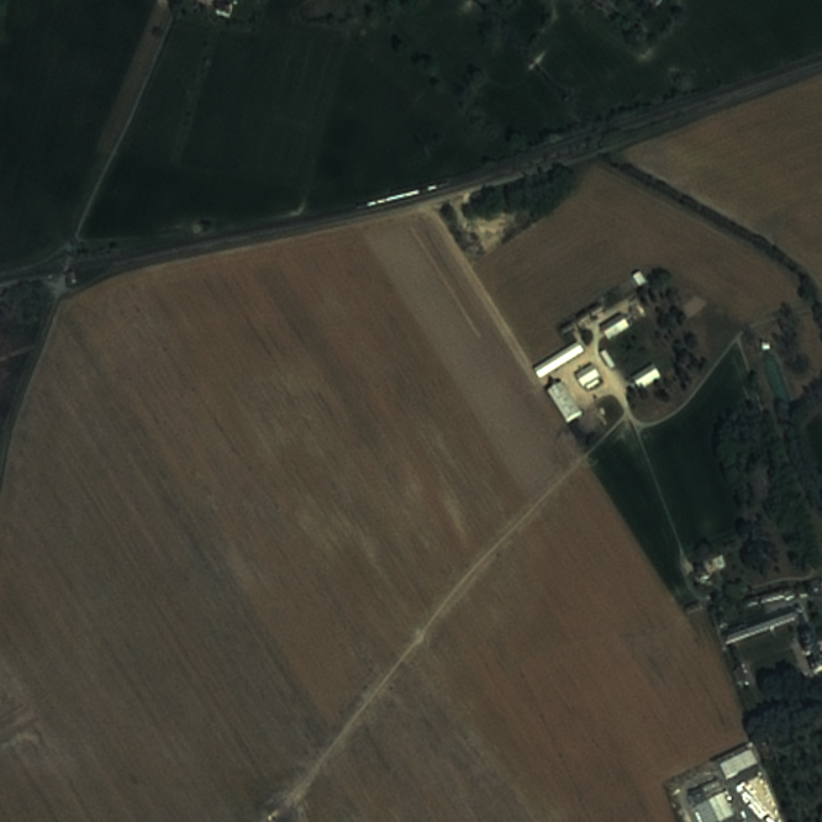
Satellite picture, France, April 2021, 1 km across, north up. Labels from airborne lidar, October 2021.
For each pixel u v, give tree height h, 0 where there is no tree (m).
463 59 0
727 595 17
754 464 14
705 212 14
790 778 18
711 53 0
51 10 0
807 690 20
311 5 0
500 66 0
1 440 15
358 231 0
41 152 0
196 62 0
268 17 0
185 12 8
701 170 0
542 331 0
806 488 20
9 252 0
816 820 8
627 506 0
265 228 0
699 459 0
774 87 0
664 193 14
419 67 17
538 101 0
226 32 0
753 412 21
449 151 0
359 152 0
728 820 0
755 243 14
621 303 0
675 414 0
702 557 16
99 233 0
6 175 0
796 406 10
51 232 0
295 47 0
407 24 0
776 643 0
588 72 0
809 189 0
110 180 0
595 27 0
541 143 8
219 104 0
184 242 0
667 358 0
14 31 0
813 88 0
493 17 16
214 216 0
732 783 0
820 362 0
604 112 0
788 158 0
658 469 0
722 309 0
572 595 0
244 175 0
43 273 0
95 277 0
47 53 0
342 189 0
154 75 0
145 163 0
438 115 0
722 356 0
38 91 0
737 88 0
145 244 0
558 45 0
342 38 0
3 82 0
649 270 0
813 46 0
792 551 21
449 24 0
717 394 0
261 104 0
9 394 6
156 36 9
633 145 0
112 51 0
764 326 0
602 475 0
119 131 0
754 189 0
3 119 0
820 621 16
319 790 0
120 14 0
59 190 0
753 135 0
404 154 0
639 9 11
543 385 0
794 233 0
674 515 0
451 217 16
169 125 0
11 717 0
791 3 0
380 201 0
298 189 0
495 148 0
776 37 0
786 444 10
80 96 0
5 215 0
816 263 0
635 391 12
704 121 0
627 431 0
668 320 8
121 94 0
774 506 18
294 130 0
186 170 0
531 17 0
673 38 0
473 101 17
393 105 0
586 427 0
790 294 0
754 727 20
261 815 0
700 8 0
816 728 17
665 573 0
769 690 24
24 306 14
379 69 0
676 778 0
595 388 0
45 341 0
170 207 0
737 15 0
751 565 18
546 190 20
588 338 10
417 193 0
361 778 0
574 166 0
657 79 0
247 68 0
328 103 0
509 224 0
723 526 0
